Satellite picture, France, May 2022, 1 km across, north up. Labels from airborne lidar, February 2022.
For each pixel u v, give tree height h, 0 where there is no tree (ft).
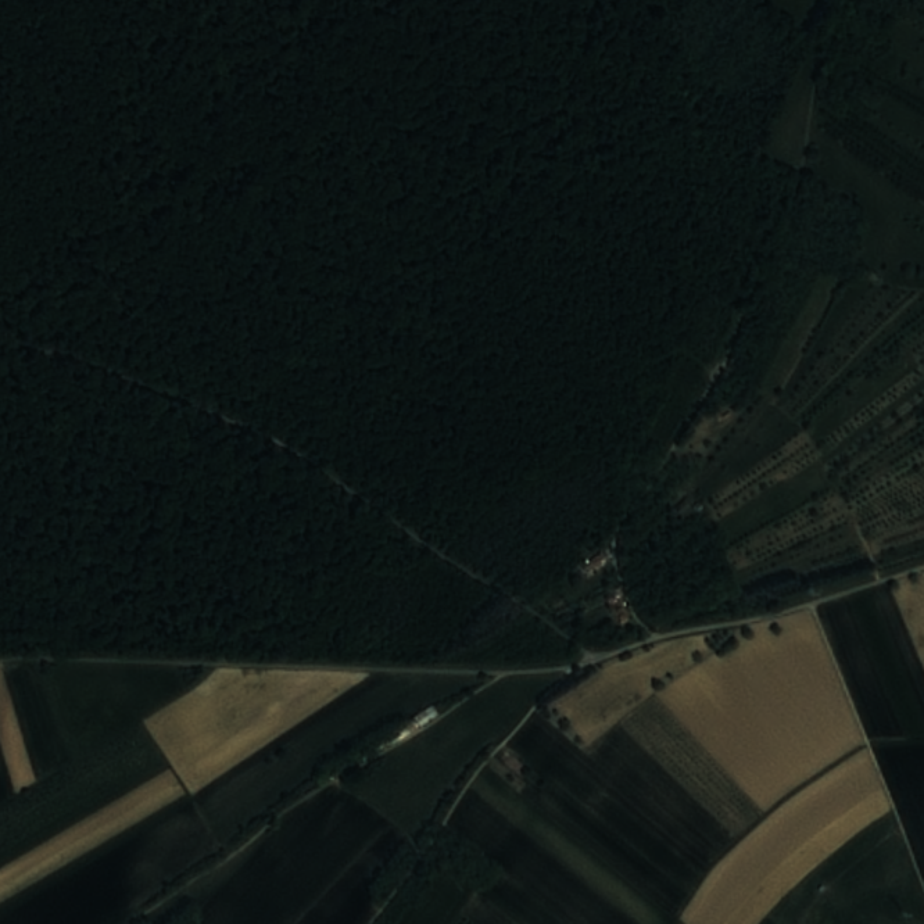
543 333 70
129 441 93
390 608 47
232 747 0
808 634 0
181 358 90
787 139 0
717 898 0
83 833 0
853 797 0
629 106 57
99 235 89
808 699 0
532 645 19
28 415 89
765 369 39
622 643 31
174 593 74
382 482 71
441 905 0
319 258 88
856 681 0
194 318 87
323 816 0
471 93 99
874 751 0
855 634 0
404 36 83
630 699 0
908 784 0
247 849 0
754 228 49
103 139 80
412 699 0
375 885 41
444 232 77
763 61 62
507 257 72
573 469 37
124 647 77
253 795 0
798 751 0
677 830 0
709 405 45
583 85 38
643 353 56
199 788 0
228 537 73
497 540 33
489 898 0
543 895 0
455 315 80
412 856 38
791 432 0
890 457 0
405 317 72
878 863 0
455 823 0
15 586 76
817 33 60
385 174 78
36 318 95
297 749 0
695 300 28
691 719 0
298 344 60
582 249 72
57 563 87
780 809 0
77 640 87
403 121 80
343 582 67
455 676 0
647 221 69
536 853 0
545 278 75
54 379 95
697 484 0
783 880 0
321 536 91
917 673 0
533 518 31
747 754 0
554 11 94
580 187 75
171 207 88
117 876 0
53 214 93
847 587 0
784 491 0
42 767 0
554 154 84
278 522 86
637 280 65
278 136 89
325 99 92
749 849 0
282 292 83
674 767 0
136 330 78
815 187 59
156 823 0
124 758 0
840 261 57
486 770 0
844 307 0
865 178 0
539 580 43
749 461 0
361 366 75
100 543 99
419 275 78
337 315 83
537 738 0
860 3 54
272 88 71
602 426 66
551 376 71
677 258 64
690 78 71
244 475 79
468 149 97
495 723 0
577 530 41
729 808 0
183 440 90
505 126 77
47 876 0
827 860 0
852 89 38
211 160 89
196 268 96
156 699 0
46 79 99
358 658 20
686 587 49
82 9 89
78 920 0
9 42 92
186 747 0
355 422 79
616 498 47
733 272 47
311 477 92
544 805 0
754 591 56
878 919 0
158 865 0
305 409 71
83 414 78
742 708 0
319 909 0
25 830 0
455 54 80
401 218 75
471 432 79
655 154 56
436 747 0
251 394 67
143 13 91
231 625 81
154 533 103
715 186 57
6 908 0
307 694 0
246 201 94
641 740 0
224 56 68
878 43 35
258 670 0
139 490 65
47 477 83
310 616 59
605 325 61
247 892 0
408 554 54
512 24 82
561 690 51
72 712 0
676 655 0
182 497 91
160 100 87
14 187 89
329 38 98
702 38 47
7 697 0
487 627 79
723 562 50
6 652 62
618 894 0
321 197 85
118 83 88
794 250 59
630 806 0
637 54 82
